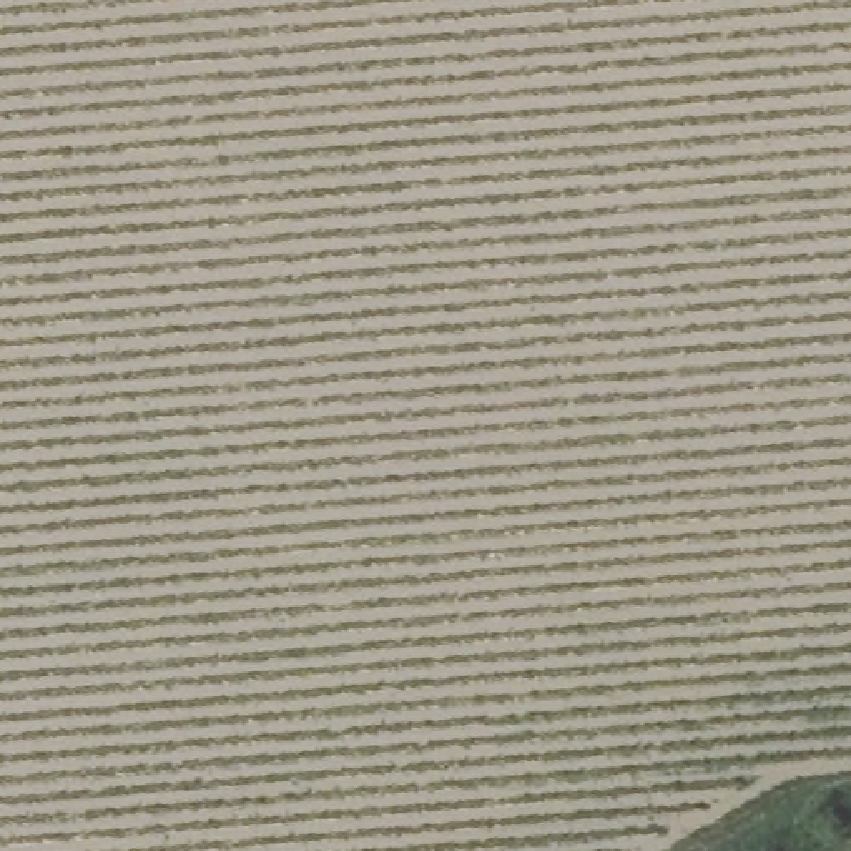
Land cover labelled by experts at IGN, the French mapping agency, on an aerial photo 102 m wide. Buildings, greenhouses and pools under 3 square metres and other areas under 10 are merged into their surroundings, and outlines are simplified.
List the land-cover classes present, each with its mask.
<instances>
[{"label":"vineyard","instance_id":"1","mask_svg":"<svg viewBox=\"0 0 851 851\"><path fill-rule=\"evenodd\" d=\"M851 771V0H0V851H668L691 831L721 821L738 804L755 801L781 781Z\"/></svg>","mask_w":851,"mask_h":851},{"label":"herbaceous vegetation","instance_id":"2","mask_svg":"<svg viewBox=\"0 0 851 851\"><path fill-rule=\"evenodd\" d=\"M804 798H818L821 814L834 821L838 838L824 851H851V771L781 781L755 801L738 804L721 821L691 831L668 851H738L751 828H771L788 804L801 808Z\"/></svg>","mask_w":851,"mask_h":851},{"label":"deciduous trees","instance_id":"3","mask_svg":"<svg viewBox=\"0 0 851 851\"><path fill-rule=\"evenodd\" d=\"M838 838L834 821L821 814L818 798H804L801 808L788 804L771 828H751L738 851H824Z\"/></svg>","mask_w":851,"mask_h":851}]
</instances>
